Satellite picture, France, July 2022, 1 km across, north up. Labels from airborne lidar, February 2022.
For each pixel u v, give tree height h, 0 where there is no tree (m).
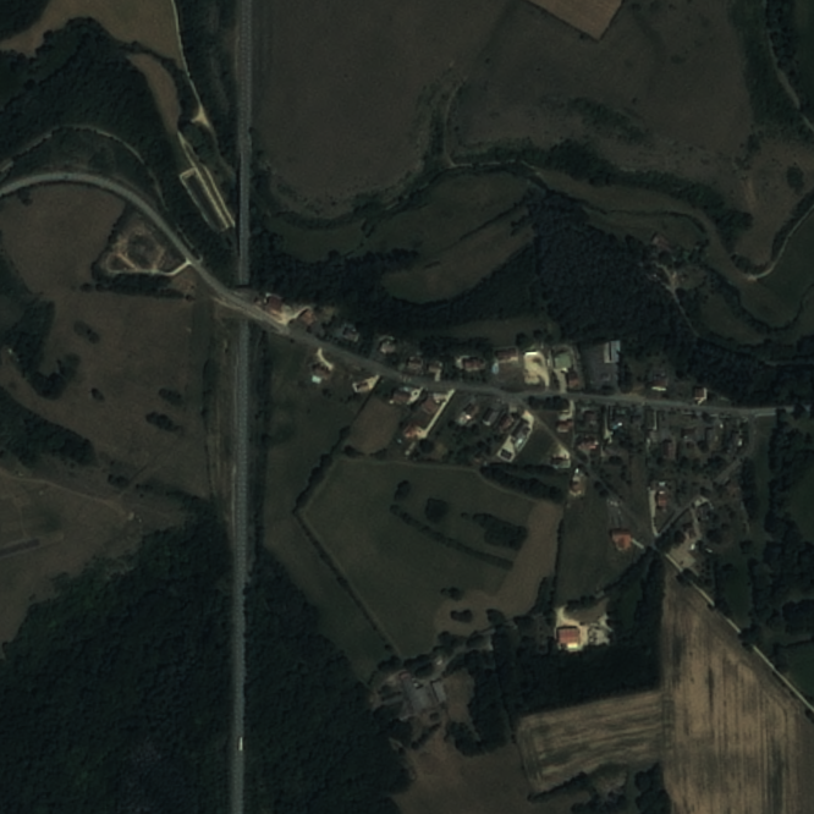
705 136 0
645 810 15
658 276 18
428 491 0
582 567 0
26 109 6
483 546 0
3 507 0
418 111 0
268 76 0
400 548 0
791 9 11
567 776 0
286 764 13
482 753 11
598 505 0
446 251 0
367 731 19
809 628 25
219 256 10
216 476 0
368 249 0
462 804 0
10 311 0
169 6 0
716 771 0
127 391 0
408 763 0
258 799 9
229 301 0
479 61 0
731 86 0
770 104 8
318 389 0
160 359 0
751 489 15
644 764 0
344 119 0
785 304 0
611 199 0
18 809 11
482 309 5
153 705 23
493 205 0
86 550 0
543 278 18
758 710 0
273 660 18
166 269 0
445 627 0
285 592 10
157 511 0
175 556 17
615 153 0
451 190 0
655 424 0
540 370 0
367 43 0
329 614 0
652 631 15
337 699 7
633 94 0
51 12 0
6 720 13
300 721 13
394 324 11
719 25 0
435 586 0
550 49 0
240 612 0
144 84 13
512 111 0
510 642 11
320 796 17
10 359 0
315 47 0
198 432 0
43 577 0
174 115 0
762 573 21
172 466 0
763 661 0
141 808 20
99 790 20
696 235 0
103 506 0
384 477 0
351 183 0
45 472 0
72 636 24
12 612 0
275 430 0
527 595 0
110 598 18
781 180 0
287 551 0
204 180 0
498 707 12
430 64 0
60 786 11
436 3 0
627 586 10
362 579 0
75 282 0
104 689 25
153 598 21
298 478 0
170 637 14
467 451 8
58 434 12
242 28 0
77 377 0
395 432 0
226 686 10
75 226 0
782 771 0
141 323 0
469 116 0
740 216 7
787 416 15
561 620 0
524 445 0
